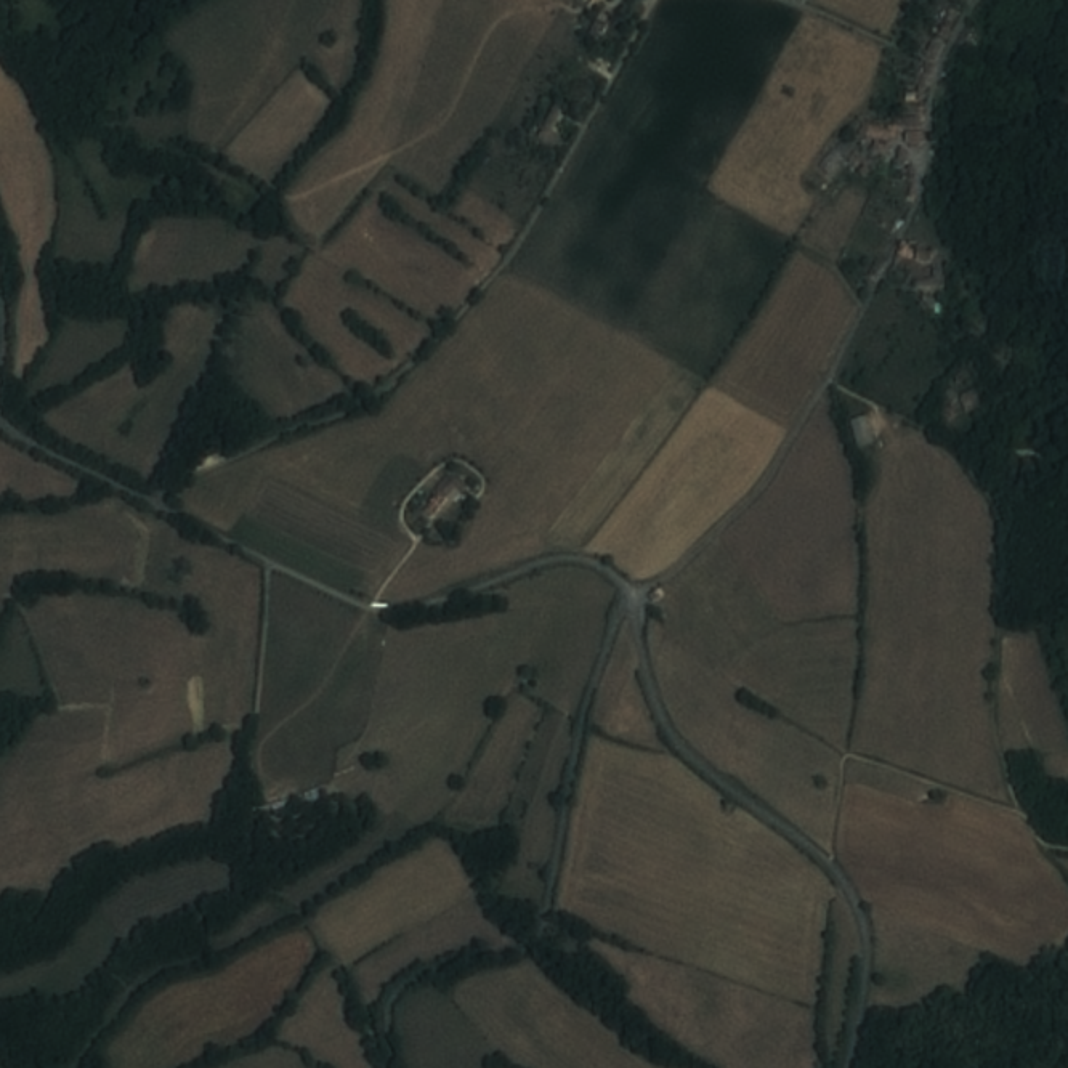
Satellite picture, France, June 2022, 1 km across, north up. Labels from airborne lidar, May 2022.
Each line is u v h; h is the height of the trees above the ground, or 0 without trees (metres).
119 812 0
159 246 0
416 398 0
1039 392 18
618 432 0
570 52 0
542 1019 0
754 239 0
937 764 0
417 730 0
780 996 0
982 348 11
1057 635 12
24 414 19
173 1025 0
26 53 19
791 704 0
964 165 18
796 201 0
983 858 0
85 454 17
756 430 0
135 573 0
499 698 14
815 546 0
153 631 0
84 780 0
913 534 0
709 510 0
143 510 13
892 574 0
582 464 0
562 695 0
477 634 0
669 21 0
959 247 17
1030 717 0
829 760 0
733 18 0
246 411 14
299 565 0
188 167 21
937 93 0
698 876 0
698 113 0
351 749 0
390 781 0
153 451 0
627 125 0
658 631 0
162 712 0
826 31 0
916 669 0
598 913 0
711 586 0
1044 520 22
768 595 0
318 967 13
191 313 0
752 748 0
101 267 17
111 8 22
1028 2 7
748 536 0
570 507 0
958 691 0
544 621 0
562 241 0
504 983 0
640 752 0
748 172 0
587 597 0
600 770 0
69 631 0
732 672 0
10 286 10
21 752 0
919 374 0
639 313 0
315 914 14
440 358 0
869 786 0
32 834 0
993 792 0
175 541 0
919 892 0
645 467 0
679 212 0
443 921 0
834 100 0
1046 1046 12
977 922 0
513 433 0
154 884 0
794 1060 0
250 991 0
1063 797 8
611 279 0
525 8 0
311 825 16
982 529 0
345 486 0
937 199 17
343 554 0
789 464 0
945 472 0
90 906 17
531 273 0
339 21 0
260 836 14
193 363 0
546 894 0
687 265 0
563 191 0
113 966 14
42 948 19
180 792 0
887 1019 17
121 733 0
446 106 0
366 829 15
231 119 0
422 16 0
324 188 0
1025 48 21
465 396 0
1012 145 15
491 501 0
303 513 0
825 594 0
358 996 10
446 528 12
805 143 0
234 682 0
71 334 0
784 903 0
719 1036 0
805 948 0
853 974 10
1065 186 6
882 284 11
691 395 0
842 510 0
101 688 0
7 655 0
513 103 0
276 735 0
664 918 0
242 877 19
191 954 7
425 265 0
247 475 0
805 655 0
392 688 0
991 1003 17
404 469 0
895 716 0
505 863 18
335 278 0
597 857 0
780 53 0
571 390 0
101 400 0
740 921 0
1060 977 18
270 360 0
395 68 0
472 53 0
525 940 18
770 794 0
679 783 0
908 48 12
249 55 0
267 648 0
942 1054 18
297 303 0
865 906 11
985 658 0
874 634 0
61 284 16
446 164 0
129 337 13
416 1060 0
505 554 0
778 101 0
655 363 0
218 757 0
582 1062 0
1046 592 24
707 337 0
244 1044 12
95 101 15
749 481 0
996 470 21
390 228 0
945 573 0
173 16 19
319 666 0
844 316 0
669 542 0
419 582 0
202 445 17
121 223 0
